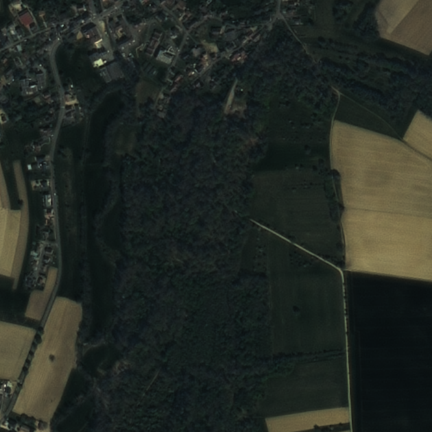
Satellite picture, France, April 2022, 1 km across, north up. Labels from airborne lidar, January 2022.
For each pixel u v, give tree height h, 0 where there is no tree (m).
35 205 0
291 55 36
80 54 0
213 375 21
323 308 0
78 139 0
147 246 32
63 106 0
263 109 24
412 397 0
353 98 0
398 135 0
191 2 0
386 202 0
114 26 0
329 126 0
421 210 0
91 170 0
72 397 0
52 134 0
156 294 30
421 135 0
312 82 33
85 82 0
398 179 0
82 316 0
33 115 8
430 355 0
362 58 9
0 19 0
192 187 36
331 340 0
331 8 0
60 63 0
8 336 0
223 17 7
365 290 0
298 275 0
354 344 0
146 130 18
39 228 7
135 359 31
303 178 0
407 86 32
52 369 0
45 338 0
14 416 0
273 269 0
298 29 0
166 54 0
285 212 0
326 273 0
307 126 8
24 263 0
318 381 0
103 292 0
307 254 0
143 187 33
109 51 0
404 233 0
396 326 0
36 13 9
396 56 0
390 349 0
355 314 0
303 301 0
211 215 31
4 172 0
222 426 33
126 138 0
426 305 0
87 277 17
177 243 32
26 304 0
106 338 20
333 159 0
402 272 0
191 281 16
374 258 0
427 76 33
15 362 0
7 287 0
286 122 0
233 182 33
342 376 0
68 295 0
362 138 0
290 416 0
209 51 0
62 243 0
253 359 25
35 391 0
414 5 0
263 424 0
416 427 0
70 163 0
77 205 0
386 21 0
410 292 0
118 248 0
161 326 33
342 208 13
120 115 21
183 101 28
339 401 0
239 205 32
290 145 0
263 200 0
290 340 0
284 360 22
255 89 17
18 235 0
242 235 29
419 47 0
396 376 0
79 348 13
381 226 0
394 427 0
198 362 21
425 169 0
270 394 0
